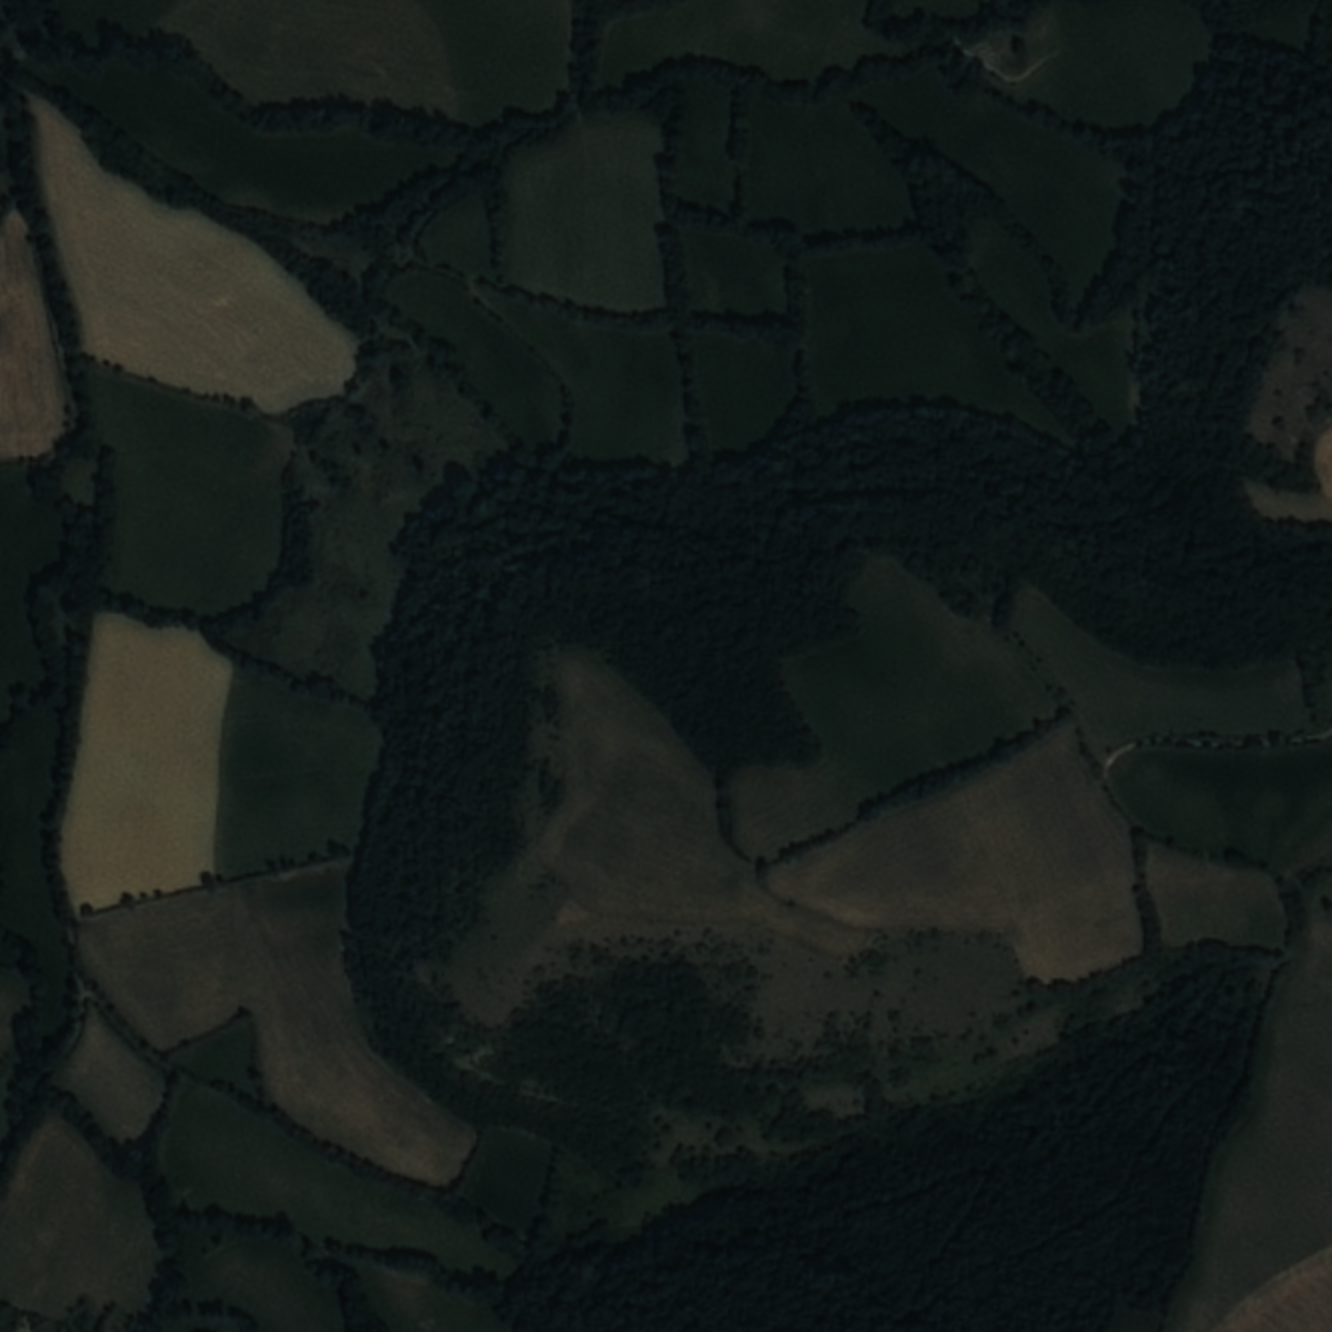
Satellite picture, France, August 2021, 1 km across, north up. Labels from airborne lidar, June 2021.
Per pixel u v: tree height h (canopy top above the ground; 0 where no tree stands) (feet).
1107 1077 34
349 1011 0
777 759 43
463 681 30
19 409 0
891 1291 43
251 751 0
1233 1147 0
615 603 74
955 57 33
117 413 0
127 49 100
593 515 44
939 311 0
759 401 0
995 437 63
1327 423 0
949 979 0
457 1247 0
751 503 75
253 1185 0
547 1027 32
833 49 0
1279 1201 0
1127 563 88
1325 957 0
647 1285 59
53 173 0
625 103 53
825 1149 22
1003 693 0
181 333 0
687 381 17
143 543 0
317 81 0
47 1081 33
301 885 0
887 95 0
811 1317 54
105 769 0
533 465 22
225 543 0
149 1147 47
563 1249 31
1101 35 0
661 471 31
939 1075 0
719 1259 85
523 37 0
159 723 0
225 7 0
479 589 49
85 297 0
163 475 0
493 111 0
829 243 40
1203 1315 0
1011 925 0
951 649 0
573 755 0
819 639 49
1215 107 67
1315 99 77
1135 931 0
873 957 24
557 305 26
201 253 0
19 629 0
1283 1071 0
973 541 59
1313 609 72
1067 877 0
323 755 0
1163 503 90
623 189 0
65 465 25
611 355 0
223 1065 0
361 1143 0
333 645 0
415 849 25
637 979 22
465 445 0
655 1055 32
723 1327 61
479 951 0
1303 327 0
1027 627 0
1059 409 53
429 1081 37
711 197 0
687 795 0
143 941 0
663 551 70
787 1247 86
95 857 0
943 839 0
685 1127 0
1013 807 0
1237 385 22
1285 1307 0
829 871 0
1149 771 0
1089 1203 27
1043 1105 66
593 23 39
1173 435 46
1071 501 97
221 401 27
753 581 68
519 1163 0
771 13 0
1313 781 0
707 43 0
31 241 26
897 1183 20
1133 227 52
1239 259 82
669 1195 0
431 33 0
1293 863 0
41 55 103
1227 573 79
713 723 55
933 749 0
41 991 40
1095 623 55
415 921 31
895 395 0
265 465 0
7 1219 0
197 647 0
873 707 0
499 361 0
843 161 0
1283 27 0
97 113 32
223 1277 0
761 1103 42
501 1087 24
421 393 0
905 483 78
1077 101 0
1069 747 0
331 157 0
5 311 0
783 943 0
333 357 0
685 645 71
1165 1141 31
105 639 0
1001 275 0
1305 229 86
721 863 0
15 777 0
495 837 34
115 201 0
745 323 47
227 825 0
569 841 0
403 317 36
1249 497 25
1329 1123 0
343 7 0
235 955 0
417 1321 0
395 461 0
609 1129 40
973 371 0
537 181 0
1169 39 0
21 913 0
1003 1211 29
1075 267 0
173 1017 0
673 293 39
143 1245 0
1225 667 49
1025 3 62
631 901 0
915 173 74
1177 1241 27
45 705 44
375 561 0
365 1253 41
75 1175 0
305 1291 0
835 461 85
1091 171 0
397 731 42
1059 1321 35
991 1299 33
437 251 0
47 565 0
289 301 0
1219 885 0
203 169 0
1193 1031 29
